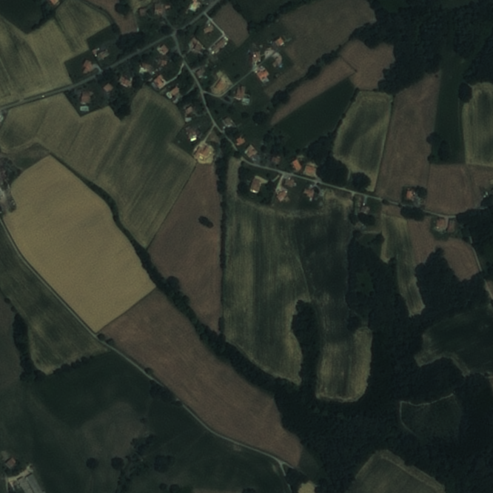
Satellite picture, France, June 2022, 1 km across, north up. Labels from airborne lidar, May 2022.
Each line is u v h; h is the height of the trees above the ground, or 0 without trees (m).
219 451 0
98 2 0
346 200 0
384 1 0
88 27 0
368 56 0
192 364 0
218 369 0
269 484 0
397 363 19
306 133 0
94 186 8
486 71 22
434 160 15
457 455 15
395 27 27
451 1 0
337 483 20
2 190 0
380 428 31
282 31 0
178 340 0
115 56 0
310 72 11
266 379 18
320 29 0
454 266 0
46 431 0
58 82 0
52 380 0
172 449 0
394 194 0
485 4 22
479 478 22
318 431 18
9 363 0
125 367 0
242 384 0
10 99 0
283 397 12
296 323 17
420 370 19
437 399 13
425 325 19
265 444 0
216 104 15
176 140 0
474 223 16
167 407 0
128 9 17
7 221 0
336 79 0
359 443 18
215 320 0
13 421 0
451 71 0
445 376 22
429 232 0
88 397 0
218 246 0
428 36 25
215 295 0
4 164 0
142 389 0
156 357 0
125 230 7
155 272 21
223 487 0
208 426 0
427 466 18
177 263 0
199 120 0
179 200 0
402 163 0
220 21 0
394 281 8
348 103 0
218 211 0
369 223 14
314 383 9
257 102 0
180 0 12
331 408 12
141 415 0
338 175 25
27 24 0
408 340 14
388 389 10
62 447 0
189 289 0
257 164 0
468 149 0
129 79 0
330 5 0
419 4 20
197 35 9
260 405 0
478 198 0
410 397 26
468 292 21
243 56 0
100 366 0
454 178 0
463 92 23
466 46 20
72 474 0
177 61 25
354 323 19
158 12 0
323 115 0
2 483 0
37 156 0
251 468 0
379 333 8
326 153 21
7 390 0
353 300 21
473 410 19
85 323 0
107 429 0
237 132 18
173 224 0
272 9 0
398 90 20
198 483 0
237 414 0
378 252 0
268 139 18
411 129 0
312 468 0
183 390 0
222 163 17
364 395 6
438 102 0
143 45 17
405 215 17
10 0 0
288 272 0
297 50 0
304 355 6
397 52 19
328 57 16
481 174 0
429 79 0
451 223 0
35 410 0
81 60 0
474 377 15
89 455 0
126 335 0
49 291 0
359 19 0
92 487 0
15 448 0
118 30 13
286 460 0
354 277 16
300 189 0
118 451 0
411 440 31
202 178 0
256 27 17
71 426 0
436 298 27
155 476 0
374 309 22
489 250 0
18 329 16
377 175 0
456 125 0
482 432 15
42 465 0
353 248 19
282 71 0
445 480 9
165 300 0
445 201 0
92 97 7
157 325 0
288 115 0
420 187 11
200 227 0
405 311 17
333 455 27
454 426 8
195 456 0
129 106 7
